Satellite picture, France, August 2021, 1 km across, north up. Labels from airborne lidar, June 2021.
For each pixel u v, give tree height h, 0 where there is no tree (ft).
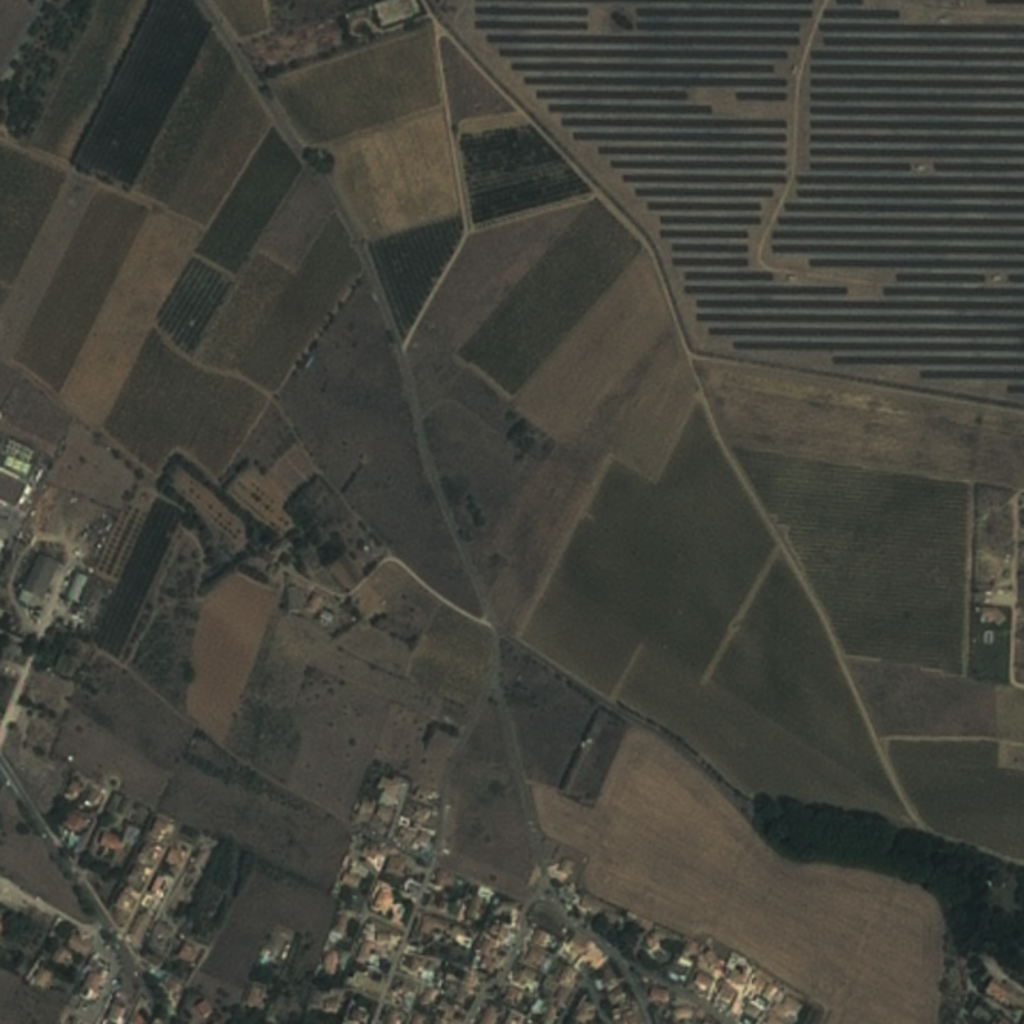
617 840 0
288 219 0
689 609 0
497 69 0
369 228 0
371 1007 31
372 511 0
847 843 99
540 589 0
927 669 0
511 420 27
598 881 0
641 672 0
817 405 0
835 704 0
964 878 29
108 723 0
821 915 0
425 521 0
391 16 0
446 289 0
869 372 0
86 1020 0
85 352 0
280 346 0
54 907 0
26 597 0
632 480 0
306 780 0
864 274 0
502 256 0
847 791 0
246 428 0
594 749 0
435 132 0
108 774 0
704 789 0
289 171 0
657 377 0
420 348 0
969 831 0
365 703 0
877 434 0
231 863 26
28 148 0
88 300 0
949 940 27
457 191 0
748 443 0
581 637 0
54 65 25
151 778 0
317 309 0
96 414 0
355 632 0
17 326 0
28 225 0
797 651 0
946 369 0
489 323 0
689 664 0
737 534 0
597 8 0
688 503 0
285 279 0
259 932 0
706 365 0
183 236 0
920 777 0
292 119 0
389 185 0
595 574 0
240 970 0
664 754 0
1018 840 0
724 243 0
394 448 0
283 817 0
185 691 0
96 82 0
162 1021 36
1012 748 0
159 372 0
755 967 0
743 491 0
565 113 0
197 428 0
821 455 0
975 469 0
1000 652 0
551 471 0
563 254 0
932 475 0
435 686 0
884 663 0
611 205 0
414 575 0
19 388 0
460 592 0
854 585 0
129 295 0
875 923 0
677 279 0
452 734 36
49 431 0
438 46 0
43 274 0
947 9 0
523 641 0
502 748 0
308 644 0
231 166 0
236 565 34
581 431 0
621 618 0
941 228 0
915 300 0
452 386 0
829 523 0
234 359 0
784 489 0
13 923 48
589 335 0
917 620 0
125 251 0
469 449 0
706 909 0
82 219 0
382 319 0
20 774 0
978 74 0
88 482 0
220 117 0
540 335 0
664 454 0
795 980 0
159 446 0
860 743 0
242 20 0
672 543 0
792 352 0
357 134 0
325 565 27
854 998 0
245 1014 28
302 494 30
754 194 0
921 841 39
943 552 0
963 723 0
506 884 0
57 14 17
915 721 0
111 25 0
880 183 0
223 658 0
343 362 0
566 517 0
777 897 0
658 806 0
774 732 0
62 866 33
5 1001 0
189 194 0
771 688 0
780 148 0
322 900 0
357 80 0
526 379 0
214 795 0
